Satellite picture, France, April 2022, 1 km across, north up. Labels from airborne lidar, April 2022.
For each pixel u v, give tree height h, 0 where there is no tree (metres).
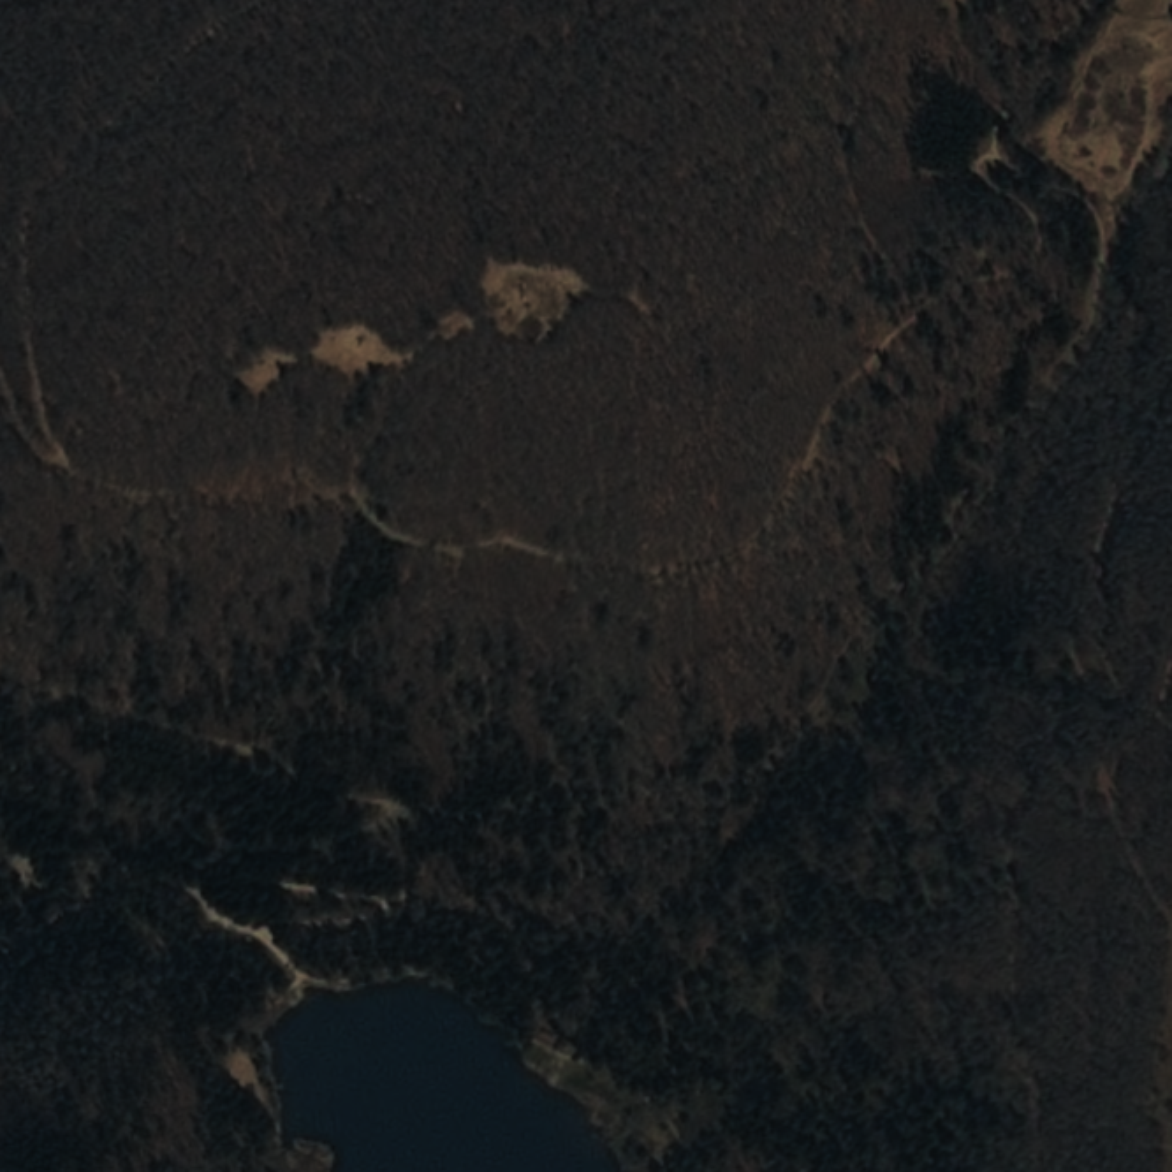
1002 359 21
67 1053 13
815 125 25
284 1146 0
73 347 17
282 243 14
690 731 24
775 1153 8
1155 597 18
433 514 10
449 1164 0
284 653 14
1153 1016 13
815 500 23
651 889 28
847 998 28
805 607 26
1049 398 22
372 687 24
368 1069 0
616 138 13
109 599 21
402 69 16
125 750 25
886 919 30
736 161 17
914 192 14
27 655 27
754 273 12
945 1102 32
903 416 11
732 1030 17
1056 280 15
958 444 17
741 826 14
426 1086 0
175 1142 16
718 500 12
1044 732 21
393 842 9
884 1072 21
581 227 15
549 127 14
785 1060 12
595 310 13
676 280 12
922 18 12
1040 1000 8
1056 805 13
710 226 16
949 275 17
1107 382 23
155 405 19
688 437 14
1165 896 13
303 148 15
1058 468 21
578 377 15
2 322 19
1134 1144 18
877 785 25
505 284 0
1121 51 0
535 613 17
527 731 14
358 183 8
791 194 24
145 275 15
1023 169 24
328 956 18
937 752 13
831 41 23
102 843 20
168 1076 17
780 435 10
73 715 15
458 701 23
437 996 0
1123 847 13
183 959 21
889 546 15
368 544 10
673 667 12
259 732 10
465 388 16
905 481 15
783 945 18
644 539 16
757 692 12
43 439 18
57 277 11
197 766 20
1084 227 14
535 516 19
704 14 18
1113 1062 17
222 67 12
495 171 9
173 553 18
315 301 16
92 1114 17
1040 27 24
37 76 16
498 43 14
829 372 11
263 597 10
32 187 11
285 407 19
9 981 26
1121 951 16
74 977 13
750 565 8
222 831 10
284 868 21
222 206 13
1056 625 21
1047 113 21
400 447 14
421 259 15
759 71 19
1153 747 10
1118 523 9
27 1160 20
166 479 20
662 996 26
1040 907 24
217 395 15
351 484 23
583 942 12
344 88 14
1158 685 18
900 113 14
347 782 17
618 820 12
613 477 15
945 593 22
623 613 23
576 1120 0
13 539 17
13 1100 12
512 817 9
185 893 26
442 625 22
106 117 13
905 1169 35
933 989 10
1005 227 15
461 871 15
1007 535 24
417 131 9
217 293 12
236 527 22
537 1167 0
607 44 16
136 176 15
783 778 17
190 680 11
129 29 18
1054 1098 13
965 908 25
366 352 0
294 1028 0
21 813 34
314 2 15
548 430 14
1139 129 0
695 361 16
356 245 12
